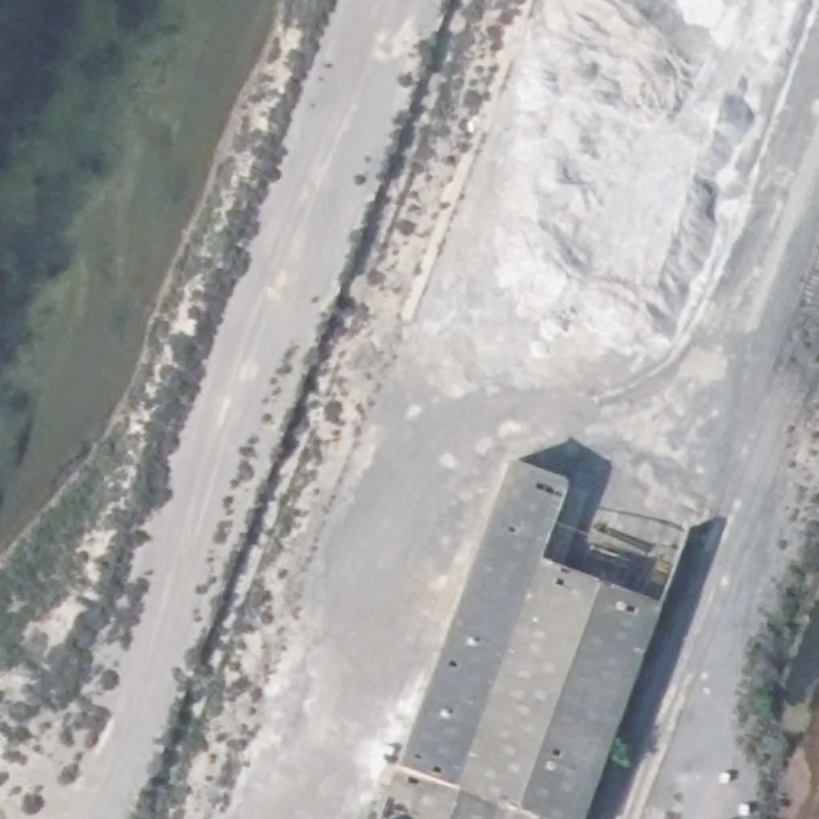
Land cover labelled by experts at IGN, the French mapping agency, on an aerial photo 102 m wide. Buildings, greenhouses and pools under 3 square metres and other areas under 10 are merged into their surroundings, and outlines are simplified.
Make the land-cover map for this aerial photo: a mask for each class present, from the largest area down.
<instances>
[{"label":"pervious surface","instance_id":"1","mask_svg":"<svg viewBox=\"0 0 819 819\"><path fill-rule=\"evenodd\" d=\"M445 0H339L323 29L320 51L310 64L298 109L291 115L278 179L269 186V195L259 208V234L250 240V269L237 282L224 307V320L214 333L211 355L205 358L198 397L186 416L179 448L170 454V499L150 512V518L144 521L147 541L134 547L131 557L128 579H147L144 611L134 624L131 646L109 643L93 649V659L99 665L118 672V685L112 691L93 678L83 685V694L109 710L99 742L90 749L86 729L74 733L70 745L61 742L64 723H74L80 717V707L74 701L61 710H42L29 720V739L22 742L26 761H10L3 755L6 739L0 736V819H128L138 809L141 790L150 781L154 761L163 752L170 713L182 697L179 688L195 669L189 662V653L198 646L202 633L211 624L214 598L224 589L227 560L246 531L250 509L269 473L272 451L282 441L288 410L294 406L301 378L307 371V352L317 346L320 323L326 320L339 294V275L352 253V237L362 230L365 211L378 192V179L397 131V115L410 106V90L400 86V77L419 70V42L438 32ZM499 10H486L480 16L473 45L467 51L464 77L473 80L477 67H496L489 99L480 106V112H473L470 106H457L451 112L448 134L435 141L429 166L416 176L422 214L400 208V218L416 224L413 234H394V243L381 262V285H371L362 275L352 285V298L368 307V320L355 336H339L333 342L317 390L310 394L307 422L320 435L323 461L307 464V470L317 480H310L298 496V521L288 531L278 560L266 569L272 621L246 633V649H240L246 678L262 688V701H250L246 694H240L237 701H224V710L208 723L205 749L192 758L189 768V819H381L387 806V797L381 793V777L387 755L397 739H406L413 733L416 710L441 659L451 621L457 614L461 595L470 579V566L486 537L505 477L518 457H525L563 441H579L595 451L605 438H624L675 464L685 461V448L669 445L672 422L662 419V406H672L678 416H685V406L694 400V390L726 374L723 346L729 333L742 330L745 310L755 294V278L749 275V269L765 262V253L774 243V234L765 227V221L774 208V198H790L787 186H777V166L784 163L800 170L816 125L813 99H819V0H525L512 26L502 32L499 51L489 48V26L496 22ZM240 726H250L256 739L243 749L234 787H221L218 777L227 761V745L218 742V733H234L237 739ZM256 157L243 150L234 160L227 186L221 189V205L214 208L211 227L218 234L227 230L240 182H246V176L253 173ZM198 291H205V278L192 275L182 285V301L176 307V333H195L192 301ZM774 368L790 371L800 381L803 419H813L819 413V288L813 301H797L793 314L784 317V330L777 336L771 362ZM176 362L173 349H160L154 374L144 387L150 397L160 394L163 371ZM150 422V410H134L128 432L122 435L125 464L102 477L106 486H122L118 499H109L96 512V531H86L80 537V547L86 550V589H70L67 598L45 621H29L22 630V646L38 656V665L45 672H51V653L67 640L77 614L99 598V560L115 537L112 515L128 509L134 499V480L147 448L144 429ZM298 470V461L288 457L272 493L269 512L262 518L266 528L278 521V496L291 486V477ZM262 550H269V537L259 534L256 547L250 550L246 569L237 579L234 605H240L253 589ZM0 691L13 701H26V672H0ZM784 787L790 793V813L797 816L803 813L809 790V765L800 749L790 758Z\"/></svg>","mask_w":819,"mask_h":819},{"label":"brushwood","instance_id":"2","mask_svg":"<svg viewBox=\"0 0 819 819\"><path fill-rule=\"evenodd\" d=\"M339 0H275L272 32L266 35L259 61L253 64L237 93L224 134L211 154L198 202L176 240V250L170 253V266L147 310L141 352L134 358L131 378L122 387V397L102 435L93 438L86 457L58 483L51 499L38 505L35 515L0 550V672H26V701H13L0 691V736L6 739L3 755L10 761H26L22 742L29 739V720L42 710H61L74 701L80 707V717L74 723H64L61 742L70 745L74 733L86 729L90 749L99 742L109 710L83 694V685L93 678L112 691L118 685V672L99 665L93 659V649L109 643L131 646L134 624L144 611L147 579H128L131 557L134 547L147 541L144 521L150 518V512L170 499V454L179 448L186 416L198 397L205 358L211 355L214 333L224 320V307L237 282L250 269V240L259 234V208L269 195V186L278 179L291 115L298 109L310 64L320 51L323 29ZM243 150L256 157L253 173L246 176V182H240L227 230L218 234L211 227L214 208L221 205V189L227 186L234 160ZM192 275L205 278V291H198L192 301L195 333H176V307L182 301V285ZM160 349H173L176 362L163 371L160 394L150 397L144 387L154 374ZM134 410H150V422L144 429L147 448L134 480V499L128 509L112 515L115 537L99 560V598L77 614L67 640L51 653V672H45L38 665V656L22 646V630L29 621H45L67 598L70 589H86V550L80 547V537L86 531H96V512L109 499H118L122 486H106L102 477L125 464L122 435L128 432ZM525 0H445L438 32L419 42V70L400 77V86L410 90V106L397 115V131L378 179V192L365 211L362 230L352 237V253L339 275V294L326 320L320 323L317 346L307 352V371L301 378L294 406L288 410L282 441L272 451L269 473L250 509L246 531L227 560L224 589L214 598L211 624L202 633L198 646L189 653V662L195 669L179 688L182 697L170 713L163 752L154 761L150 781L141 790L138 809L128 819H189V768L192 758L205 749L208 723L224 710V701H237L240 694H246L250 701H262V688L246 678L240 649H246V633L272 621L266 569L278 560L288 531L298 521V496L310 480H317L307 470V464L323 461L320 435L307 422L310 394L317 390L333 342L339 336H355L368 320V307L352 298V285L362 275L371 285H381V262L394 243V234H413L416 224L400 218V208L422 214L416 176L429 166L435 141L448 134L451 112L457 106H470L473 112H480V106L489 99L496 67H477L473 80L464 77L467 51L473 45L480 16L486 10H499L496 22L489 26V48L499 51L502 32L512 26ZM288 457L298 461V470L291 477V486L278 496V521L266 528L262 518L269 512L272 493ZM259 534L269 537V550H262L253 589L240 605H234L237 579L246 569L250 550L256 547ZM787 589L781 595V611L745 649V694H739L736 704V742L758 768V793L749 803L745 819H797V816L790 813V793L784 787L790 758L781 755L787 736L793 733L784 726V713L771 707V697L758 691V685L771 653H800L813 608L819 605V521L806 528L803 553L784 573ZM256 739L250 726H240L237 739L234 733H218V742L227 745V761L218 777L221 787H234L243 749Z\"/></svg>","mask_w":819,"mask_h":819},{"label":"water","instance_id":"3","mask_svg":"<svg viewBox=\"0 0 819 819\"><path fill-rule=\"evenodd\" d=\"M275 0H0V550L35 515L38 505L51 499L58 483L86 457L93 438L102 435L122 397V387L131 378L134 358L141 352L147 310L170 266V253L176 250V240L198 202L211 154L224 134L237 93L253 64L259 61L266 35L272 32ZM758 691L771 697V707L784 713L793 704L809 707V697H819V605L813 608L800 653H771L758 685Z\"/></svg>","mask_w":819,"mask_h":819},{"label":"impervious surface","instance_id":"4","mask_svg":"<svg viewBox=\"0 0 819 819\"><path fill-rule=\"evenodd\" d=\"M816 125L800 170L784 163L777 166V186H787L790 198H774V208L765 221V227L774 234V243L765 253V262L749 269V275L755 278V294L745 310L742 330L729 333L723 346L726 374L694 390V400L685 406V416H678L672 406H662V419L672 422L669 445L685 448V461L675 464L624 438H605L595 451L579 441H563L525 457L531 467H544L566 477V502L553 525L547 557L560 566L589 573L601 582L624 585L662 605L640 672L633 678L624 717L608 745L605 768L595 784L585 819H745L749 803L758 793V768L736 742V704L739 694H745V649L781 611V595L787 589L784 573L803 553L806 528L819 521V413L813 419H803L800 381L790 371L774 368L771 362L777 336L784 330V317L793 314L797 301H813L819 288V99H813Z\"/></svg>","mask_w":819,"mask_h":819},{"label":"building","instance_id":"5","mask_svg":"<svg viewBox=\"0 0 819 819\"><path fill-rule=\"evenodd\" d=\"M566 502V477L544 467H531L525 457H518L505 477L486 537L470 566V579L461 595L457 614L451 621L441 659L416 710L413 733L406 739H397L387 755L381 777V793L387 797V806L381 819H585L595 784L605 768L608 745L624 717L633 678L640 672L662 605L624 585L601 582L589 573L560 566L547 557L553 525Z\"/></svg>","mask_w":819,"mask_h":819},{"label":"herbaceous vegetation","instance_id":"6","mask_svg":"<svg viewBox=\"0 0 819 819\"><path fill-rule=\"evenodd\" d=\"M784 726L793 733L787 736L781 755L790 758L800 749L809 765V790L803 813L797 816V819H819V697H809V707L793 704L784 713Z\"/></svg>","mask_w":819,"mask_h":819}]
</instances>
